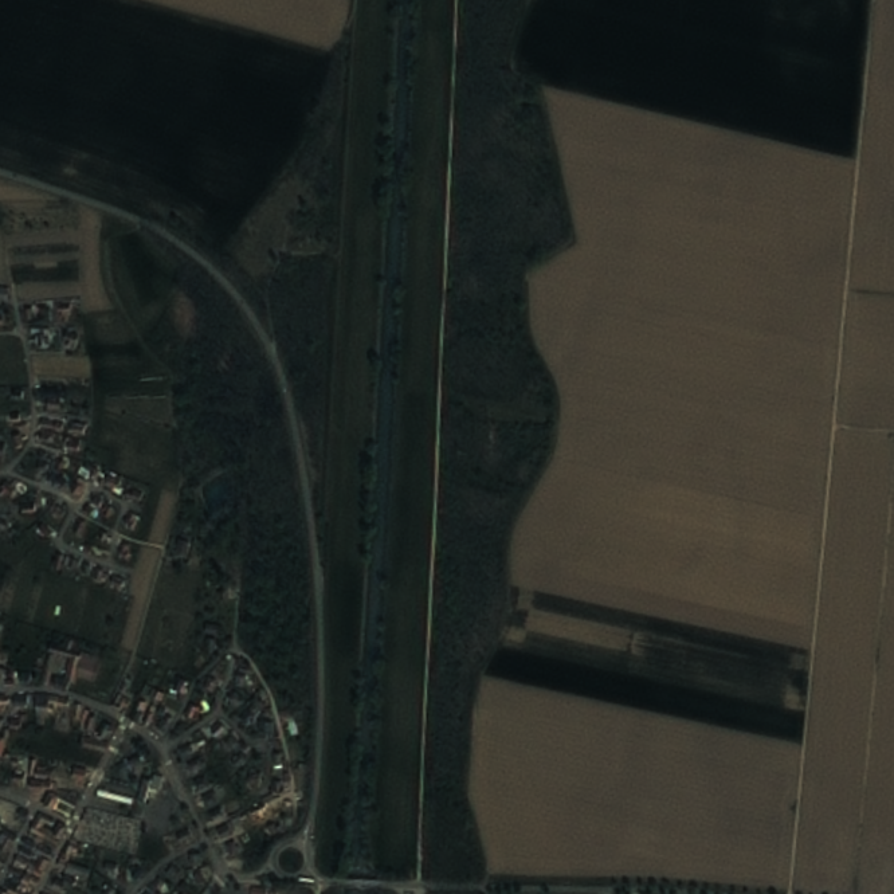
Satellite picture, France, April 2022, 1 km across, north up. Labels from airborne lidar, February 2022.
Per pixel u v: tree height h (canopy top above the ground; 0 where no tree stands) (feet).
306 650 51
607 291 0
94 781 0
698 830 0
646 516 0
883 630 0
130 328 0
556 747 0
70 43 0
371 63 0
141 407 0
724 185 0
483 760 0
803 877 0
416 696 0
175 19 0
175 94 0
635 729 0
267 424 49
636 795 0
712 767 0
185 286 46
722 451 0
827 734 0
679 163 0
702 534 0
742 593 0
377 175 0
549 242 64
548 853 0
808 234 0
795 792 0
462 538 40
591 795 0
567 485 0
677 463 0
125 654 0
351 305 0
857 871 0
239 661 33
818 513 0
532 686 0
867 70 0
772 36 0
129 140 0
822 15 0
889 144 0
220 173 0
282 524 41
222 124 0
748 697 0
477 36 42
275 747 0
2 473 0
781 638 0
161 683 0
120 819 0
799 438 0
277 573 45
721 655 0
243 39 0
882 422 0
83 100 0
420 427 0
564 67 0
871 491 0
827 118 0
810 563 0
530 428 32
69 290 0
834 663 0
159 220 54
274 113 0
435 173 0
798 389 0
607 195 0
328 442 0
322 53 0
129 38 0
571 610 0
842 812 0
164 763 0
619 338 0
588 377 0
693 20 0
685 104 0
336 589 0
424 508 0
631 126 0
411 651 0
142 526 0
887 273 0
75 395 38
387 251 0
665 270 0
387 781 0
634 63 0
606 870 0
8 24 0
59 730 0
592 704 0
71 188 0
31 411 0
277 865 0
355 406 0
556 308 0
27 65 0
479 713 0
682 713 0
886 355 0
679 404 0
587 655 0
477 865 45
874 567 0
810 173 0
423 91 0
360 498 0
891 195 0
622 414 0
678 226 0
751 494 0
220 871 0
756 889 0
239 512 61
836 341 0
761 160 0
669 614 0
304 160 46
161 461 0
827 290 0
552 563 0
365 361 0
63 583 0
